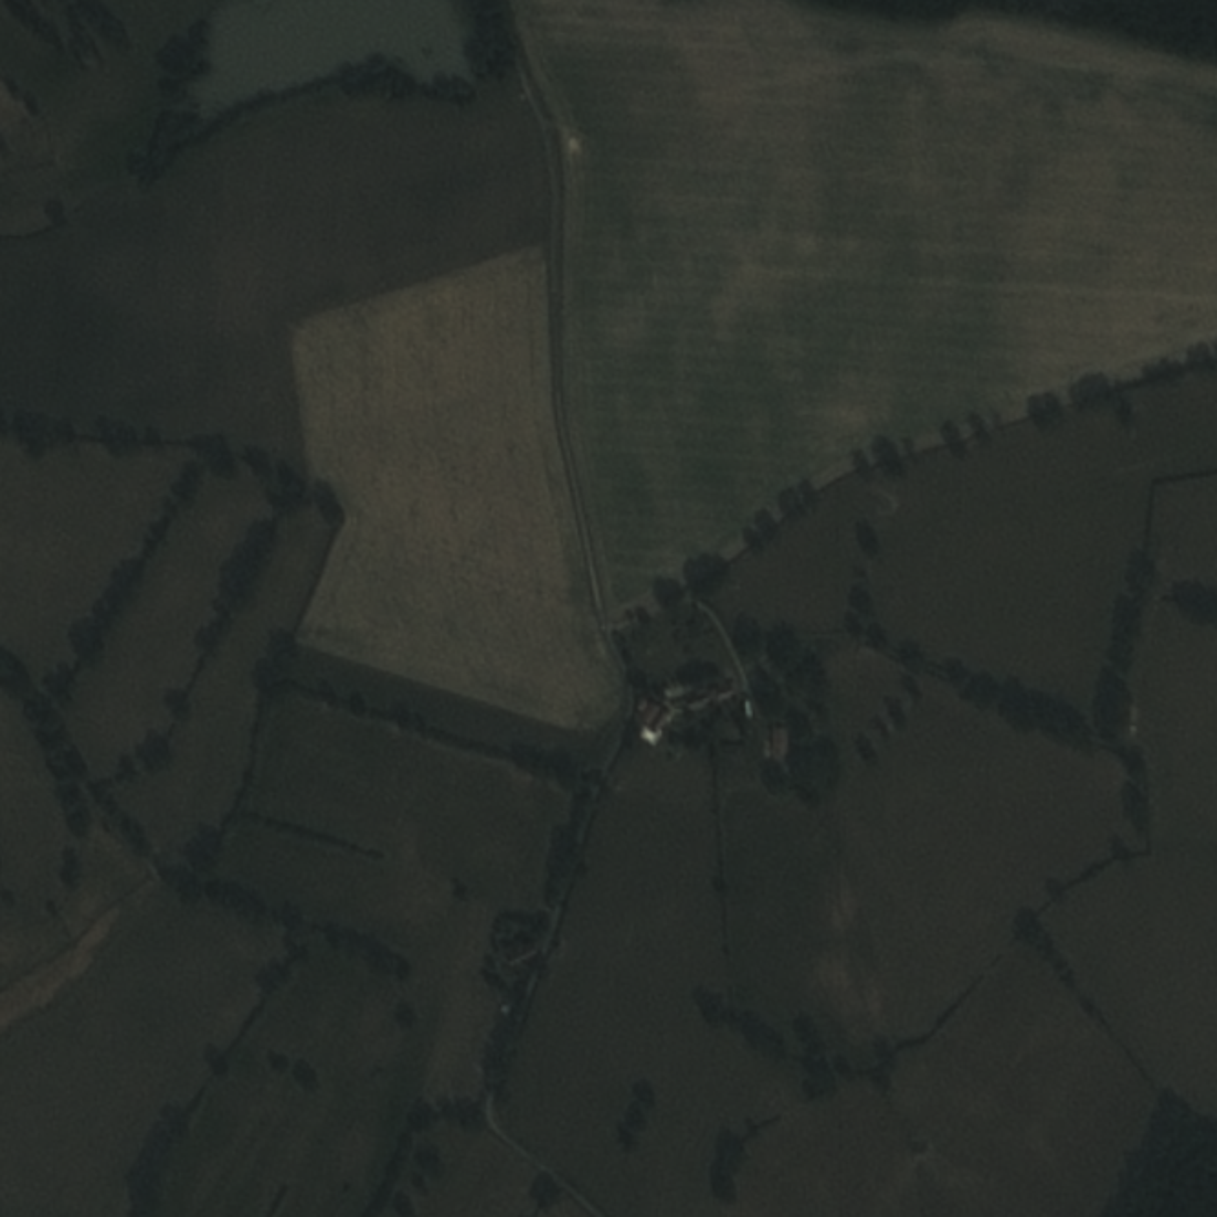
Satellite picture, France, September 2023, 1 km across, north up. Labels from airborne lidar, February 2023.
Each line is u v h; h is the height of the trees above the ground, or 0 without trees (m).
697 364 0
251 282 0
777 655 24
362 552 0
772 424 0
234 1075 0
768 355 0
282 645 19
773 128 0
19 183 0
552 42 0
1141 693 0
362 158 0
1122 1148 0
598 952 0
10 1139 0
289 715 0
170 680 0
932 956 0
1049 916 0
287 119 0
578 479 0
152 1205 19
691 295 0
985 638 0
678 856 0
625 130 0
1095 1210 0
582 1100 0
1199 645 0
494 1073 14
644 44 0
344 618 0
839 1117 0
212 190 0
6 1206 0
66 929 0
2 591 0
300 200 0
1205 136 0
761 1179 0
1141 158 0
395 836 0
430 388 0
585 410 0
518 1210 0
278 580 0
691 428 0
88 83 0
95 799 15
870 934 0
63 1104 0
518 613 0
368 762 0
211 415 0
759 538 10
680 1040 0
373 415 0
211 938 0
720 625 0
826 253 0
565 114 0
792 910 0
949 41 0
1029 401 0
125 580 17
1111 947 0
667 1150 0
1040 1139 0
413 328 0
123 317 0
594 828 0
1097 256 0
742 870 0
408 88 11
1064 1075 0
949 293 0
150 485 0
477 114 0
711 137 0
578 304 0
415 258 0
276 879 0
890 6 21
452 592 0
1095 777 0
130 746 0
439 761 0
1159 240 0
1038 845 0
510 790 0
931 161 0
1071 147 0
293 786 0
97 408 0
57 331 0
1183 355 0
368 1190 0
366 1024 0
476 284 0
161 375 0
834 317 0
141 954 0
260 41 0
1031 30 0
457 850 0
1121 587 0
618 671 0
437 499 0
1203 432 0
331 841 6
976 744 0
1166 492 0
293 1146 0
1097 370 0
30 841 0
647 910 0
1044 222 0
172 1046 0
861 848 0
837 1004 0
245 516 0
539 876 0
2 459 0
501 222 0
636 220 0
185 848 0
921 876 0
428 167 0
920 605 0
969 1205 0
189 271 0
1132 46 0
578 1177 0
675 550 0
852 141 0
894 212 0
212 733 0
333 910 0
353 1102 0
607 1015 0
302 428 0
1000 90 0
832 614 0
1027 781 0
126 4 0
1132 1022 0
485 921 0
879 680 0
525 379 0
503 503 0
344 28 0
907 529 0
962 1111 0
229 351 0
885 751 0
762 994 0
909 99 0
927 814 0
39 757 0
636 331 0
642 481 0
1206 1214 20
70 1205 0
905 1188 0
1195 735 0
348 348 0
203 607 0
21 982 0
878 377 0
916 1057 0
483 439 0
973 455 0
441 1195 0
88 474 0
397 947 0
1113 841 0
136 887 0
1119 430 0
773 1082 0
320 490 0
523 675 0
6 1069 0
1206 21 17
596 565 0
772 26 0
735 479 0
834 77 0
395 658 0
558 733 0
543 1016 0
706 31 0
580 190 0
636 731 11
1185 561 0
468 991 0
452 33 0
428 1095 0
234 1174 0
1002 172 0
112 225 0
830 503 0
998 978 0
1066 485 0
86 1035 0
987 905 0
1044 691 0
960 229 0
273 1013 0
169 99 6
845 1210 0
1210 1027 0
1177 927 0
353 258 0
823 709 17
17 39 0
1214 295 0
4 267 0
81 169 0
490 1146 0
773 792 13
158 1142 15
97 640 21
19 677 14
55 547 0
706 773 0
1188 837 0
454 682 0
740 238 0
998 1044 0
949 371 0
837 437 0
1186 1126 19
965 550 0
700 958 0
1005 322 0
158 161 9
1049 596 0
